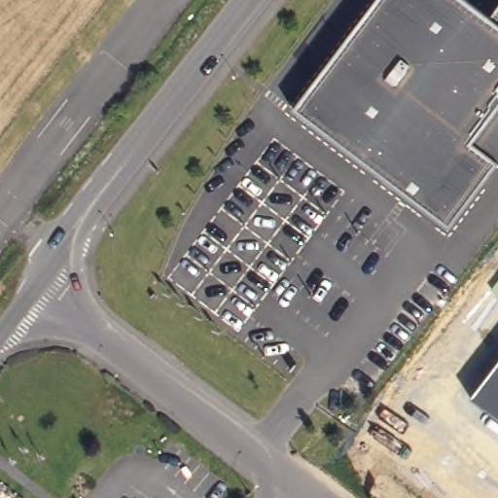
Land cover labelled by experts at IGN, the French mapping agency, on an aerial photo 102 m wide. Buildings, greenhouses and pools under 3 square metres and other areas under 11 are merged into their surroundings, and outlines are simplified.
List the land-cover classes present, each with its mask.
<instances>
[{"label":"impervious surface","instance_id":"1","mask_svg":"<svg viewBox=\"0 0 498 498\"><path fill-rule=\"evenodd\" d=\"M193 0H134L124 10L123 16L111 27V31L103 37V41L97 45L88 62L82 64V68L72 76L68 86L54 99L53 105L43 113V117L33 126L27 138L19 144L12 160L0 171V253L8 243H18L19 247L27 251V263L21 272L16 294L10 305L0 313V364L14 350L41 348L53 344L76 348L80 354L91 358L97 366L107 368L113 373V377L123 379L124 385L130 387L136 399H148L156 410H160V412H165V414H167L169 418H173V420H175V422H177V424H179V426H181L183 430L189 432L196 442L208 447L214 455L224 459L241 477L251 480L253 498H358L319 467L311 465L300 455L290 453V442L294 434L302 426L313 424L309 412L317 407V403L327 401L329 409H342L344 416H340L338 424L342 434L338 442V451L348 455L354 471L358 473L362 482L366 479V473H372V496L375 498H498V422H494L492 416L484 414L477 405L469 401V393L477 389L482 377L498 360V249L482 261L480 268L473 272L471 280L465 282V286L455 294L453 300L444 298L447 284L455 282V276L471 261V257L477 253V249L490 235V231L498 224V171L486 183L484 195L480 196L479 202L463 220V224L453 231L451 237H442L440 233H436L434 222H430L424 216L416 218L409 210L397 206L393 196L387 195L373 183L372 175H362L352 165L340 160L337 154L327 150L313 136H309L307 130H303L300 113L294 109V105L302 97L303 91L315 80V76L323 70V66L329 62V58L335 54L340 43L358 23V19L364 16L373 0H333L329 8L321 14V18L317 19L313 27L305 33L296 51L290 54L284 66L276 72V76L270 82L259 80L255 84L253 89L257 91L259 99L247 111L245 121L235 128V138L226 146L224 158L216 163L214 173L204 183V189L196 198L191 214L181 224L163 274H152L154 280L175 290V294L183 296L193 309H200L206 321H212V317H216V321H224V325L237 331L239 340L247 342L259 356L267 354L270 364L290 372L292 381L276 399V403L263 418H253L245 410L239 409L235 403H231L230 399H226L222 393H218L214 387L204 383L173 354L163 350L156 340L138 333L105 305L103 298L97 296L99 290L95 280V247L107 226L113 224V220L126 206V202L144 183V179L158 169L163 156L177 142L181 132L200 113V109L208 103V99L218 86L228 76L241 78V74L245 72L243 62L249 58L247 53L251 45L259 39L268 21L276 18V14L284 8L288 0H228L220 8L218 16L212 19L204 33L196 39L193 49L181 58L175 70L167 76V80L156 91V95L142 109V113L128 124L119 142L91 171L86 183L78 189V193L72 196V200L62 208L58 216L47 220L45 216L33 210V204L39 200L45 187L60 175L62 165L78 148V144L86 142L95 126L101 123L105 115L101 113V109L123 86L128 68L132 64L144 62L148 54L156 51L161 39L169 33L173 23L187 10V6ZM436 307H440V317L436 319L426 340L410 356L403 370L377 395L370 385V379L375 381L381 377L391 358L403 348V340H409L410 335L422 327V321L430 313H434ZM358 391H362L364 397L372 399V407L366 412L362 426L358 422H352L350 416H346V412L354 407L352 393ZM484 16L492 14L498 6V0H467ZM91 492L88 498H224L228 492L226 484L175 445H167L158 457H146L142 447H136L132 453L113 461L109 469L101 475V479L97 480L95 488H89ZM0 471L8 473L37 498H54L35 480L23 475L16 467L14 459L0 457Z\"/></svg>","mask_w":498,"mask_h":498},{"label":"herbaceous vegetation","instance_id":"2","mask_svg":"<svg viewBox=\"0 0 498 498\"><path fill-rule=\"evenodd\" d=\"M228 0H193L187 6V10L173 23L169 33L161 39L156 51L148 54L144 62L132 64L128 68L123 86L101 109V113L105 115L101 123L95 126L86 142L78 144V148L62 165L60 175L45 187L39 200L33 204V210L45 216L47 220L58 216L62 208L72 200V196L78 193V189L86 183L91 171L119 142L128 124L142 113V109L156 95V91L167 80V76L175 70L181 58L193 49L196 39L204 33L212 19L218 16L220 8ZM333 0H288L284 8L276 14V18L268 21L259 39L251 45L247 53L249 58L243 62L245 72L241 74V78L228 76L218 86L208 99V103L200 109V113L181 132L177 142L163 156L158 169L144 179V183L126 202V206L113 220V224L107 226L95 247V280L99 290L97 296L103 298L105 305L138 333L156 340L163 350L173 354L204 383L214 387L218 393H222L226 399H230L231 403H235L239 409L245 410L253 418H263L276 403V399L292 381L290 372L270 364L267 354L259 356L247 342L239 340L237 331L224 325V321H216V317H212V321H206L200 309H193L183 296L175 294V290L154 280L152 274H163L181 224L191 214L196 198L204 189V183L214 173L216 163L224 158L226 146L235 138V128L245 121L247 111L259 99L257 91L253 89L255 84L259 80L270 82L276 76V72L284 66L290 54L296 51L305 33L313 27L317 19L321 18V14L329 8ZM498 249V224L490 231V235L477 249V253L471 257V261L455 276V282L447 284L444 298L453 300L455 294L465 286V282L471 280L473 272L480 268L482 261ZM27 263V251L19 247L18 243H8L0 253V313L10 305L16 294L21 272ZM440 317V307H436L434 313H430L422 321V327L410 335L409 340H403V348L391 358L381 377L375 381L370 379V385L377 395L403 370L410 356L426 340L436 319ZM167 445H175L226 484L228 492L224 498H253L251 480L241 477L224 459L214 455L208 447L196 442L189 432L183 430H181V432H171V430H167V428H165V424L161 422L158 416H156V410L148 399H136L130 387L124 385L123 379L113 377V373L107 368L97 366L91 358L80 354L76 348L53 344L41 348L14 350L0 364V457L14 459L16 467L23 475L35 480L54 498H72L74 482L80 473H86L91 479L97 480L101 479V475L109 469L113 461L132 453L136 447H142L146 457H158ZM354 407L346 412V416H350L352 422H358L362 426L366 412L372 407V399L364 397L362 391H358L352 393ZM340 416H344L342 409H329L327 401L317 403V407L309 412L313 424L302 426L294 434L290 442V453L300 455L311 465L319 467L358 498H375L372 496V473H366V479L362 482L358 473L354 471L348 455L338 451V442L331 444L323 430L327 424H338ZM0 498H37L8 473L0 471Z\"/></svg>","mask_w":498,"mask_h":498},{"label":"building","instance_id":"3","mask_svg":"<svg viewBox=\"0 0 498 498\"><path fill-rule=\"evenodd\" d=\"M294 109L300 113L303 130H307L309 136H313L327 150L337 154L340 160L352 165L362 175H372L373 183L387 195L393 196L397 206L409 210L416 218L424 216L430 222H434L436 233H440L442 237H451L453 231L463 224V220L479 202L480 196L484 195L486 183L498 171V6L492 14L484 16L467 0H373L364 16L358 19V23L340 43L335 54L329 58V62L323 66V70L315 76V80L303 91L302 97L294 105ZM469 401L477 405L484 414L492 416L494 422H498V360L482 377L477 389L469 393Z\"/></svg>","mask_w":498,"mask_h":498},{"label":"agricultural land","instance_id":"4","mask_svg":"<svg viewBox=\"0 0 498 498\"><path fill-rule=\"evenodd\" d=\"M134 0H0V171L12 160L19 144L27 138L33 126L43 117V113L53 105L54 99L68 86L72 76L82 68V64L88 62L97 45L103 41V37L111 31V27L123 16L124 10Z\"/></svg>","mask_w":498,"mask_h":498},{"label":"pervious surface","instance_id":"5","mask_svg":"<svg viewBox=\"0 0 498 498\"><path fill-rule=\"evenodd\" d=\"M97 480L91 479L86 473H80L74 482L72 498H88L91 492L89 488H95Z\"/></svg>","mask_w":498,"mask_h":498},{"label":"brushwood","instance_id":"6","mask_svg":"<svg viewBox=\"0 0 498 498\"><path fill-rule=\"evenodd\" d=\"M156 416H158L161 422L165 424V428H167V430H171V432H181V430H183L181 426H179V424H177V422H175V420H173V418H169L167 414H165V412H160V410H156Z\"/></svg>","mask_w":498,"mask_h":498},{"label":"deciduous trees","instance_id":"7","mask_svg":"<svg viewBox=\"0 0 498 498\"><path fill-rule=\"evenodd\" d=\"M331 444L338 442L342 434L338 424H327L323 430Z\"/></svg>","mask_w":498,"mask_h":498}]
</instances>
